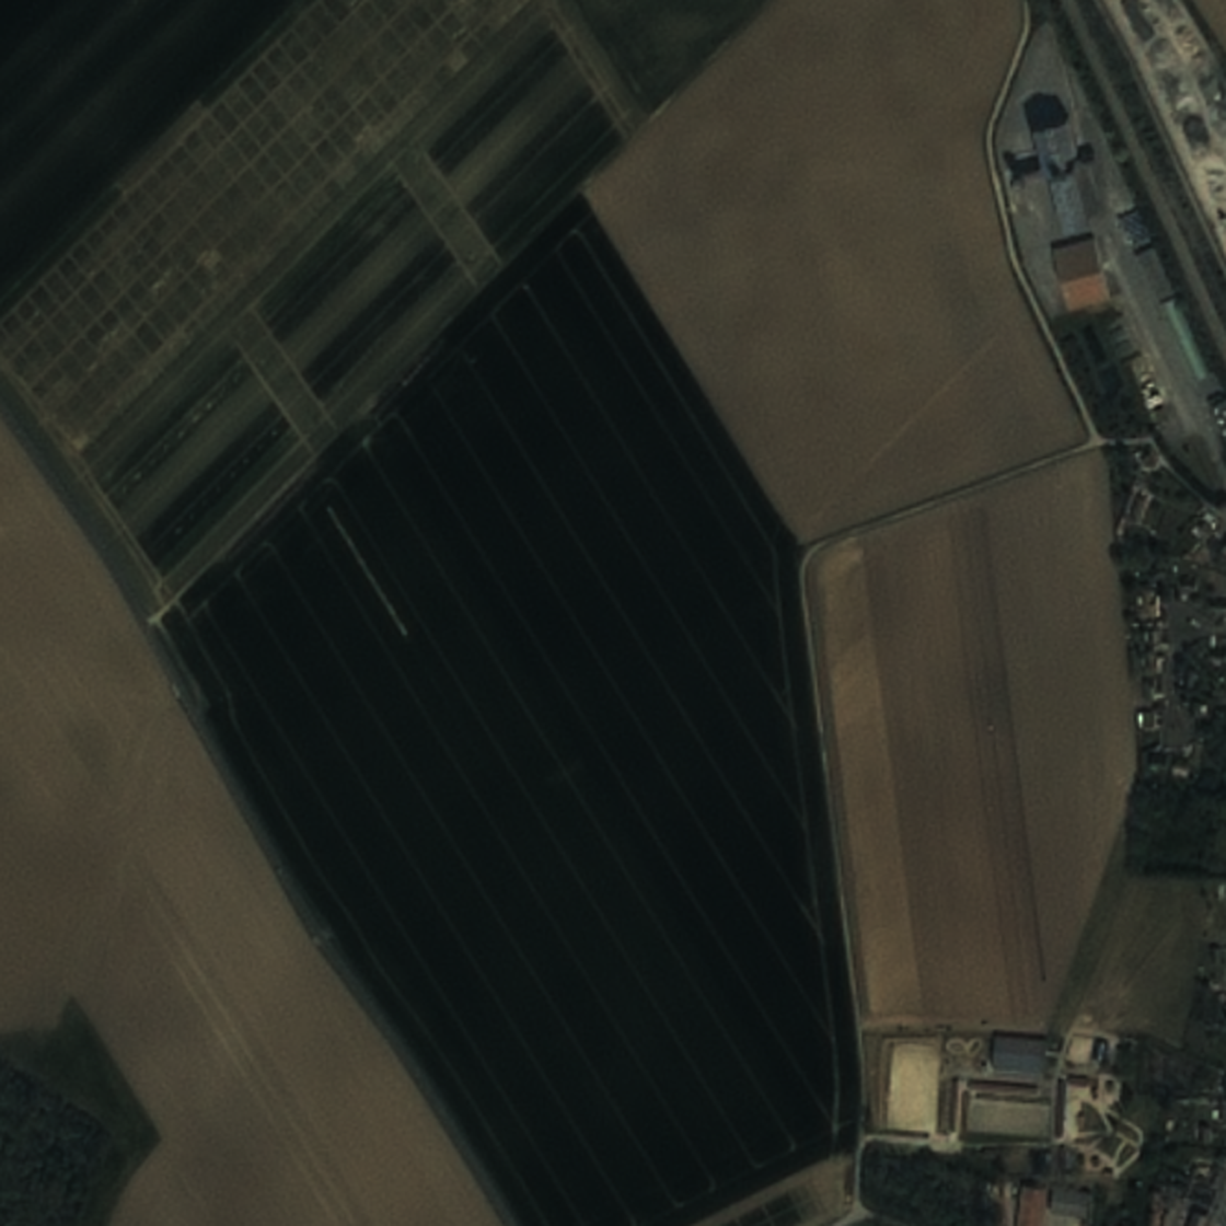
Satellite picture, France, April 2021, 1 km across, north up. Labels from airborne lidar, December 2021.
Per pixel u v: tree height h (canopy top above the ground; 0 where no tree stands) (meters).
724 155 0
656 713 0
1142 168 0
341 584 0
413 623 0
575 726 0
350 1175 0
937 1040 0
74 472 0
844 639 0
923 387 0
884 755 0
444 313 0
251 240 0
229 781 0
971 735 0
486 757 0
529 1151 0
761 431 0
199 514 0
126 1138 0
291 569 0
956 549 0
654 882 0
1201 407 0
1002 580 0
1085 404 0
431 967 0
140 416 0
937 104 0
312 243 0
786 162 0
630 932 0
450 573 0
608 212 0
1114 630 0
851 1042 0
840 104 0
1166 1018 0
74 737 0
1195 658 6
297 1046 0
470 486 0
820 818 0
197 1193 0
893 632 0
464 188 0
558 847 0
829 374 0
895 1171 8
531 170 0
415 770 0
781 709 0
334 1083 0
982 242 0
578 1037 0
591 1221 0
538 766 0
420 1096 0
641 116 0
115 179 0
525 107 0
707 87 0
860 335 0
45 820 0
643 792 0
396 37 0
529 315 0
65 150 0
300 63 0
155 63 0
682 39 0
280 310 0
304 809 0
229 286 0
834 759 0
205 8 0
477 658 0
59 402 0
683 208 0
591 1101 0
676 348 0
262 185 0
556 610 0
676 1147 0
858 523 0
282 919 0
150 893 0
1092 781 0
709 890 0
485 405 0
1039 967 0
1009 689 0
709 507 0
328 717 0
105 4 0
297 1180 0
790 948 0
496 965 0
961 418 0
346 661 0
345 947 0
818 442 0
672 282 0
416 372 0
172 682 0
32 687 0
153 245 0
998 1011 0
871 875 0
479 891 0
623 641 0
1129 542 9
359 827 0
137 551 0
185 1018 0
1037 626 0
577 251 0
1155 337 0
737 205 0
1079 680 0
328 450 0
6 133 0
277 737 0
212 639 0
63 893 0
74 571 0
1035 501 0
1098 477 0
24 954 0
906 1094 0
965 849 0
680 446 0
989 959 0
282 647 0
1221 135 0
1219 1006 0
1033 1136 0
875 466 0
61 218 0
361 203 0
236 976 0
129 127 0
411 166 0
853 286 0
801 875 0
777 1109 0
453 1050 0
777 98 0
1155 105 0
